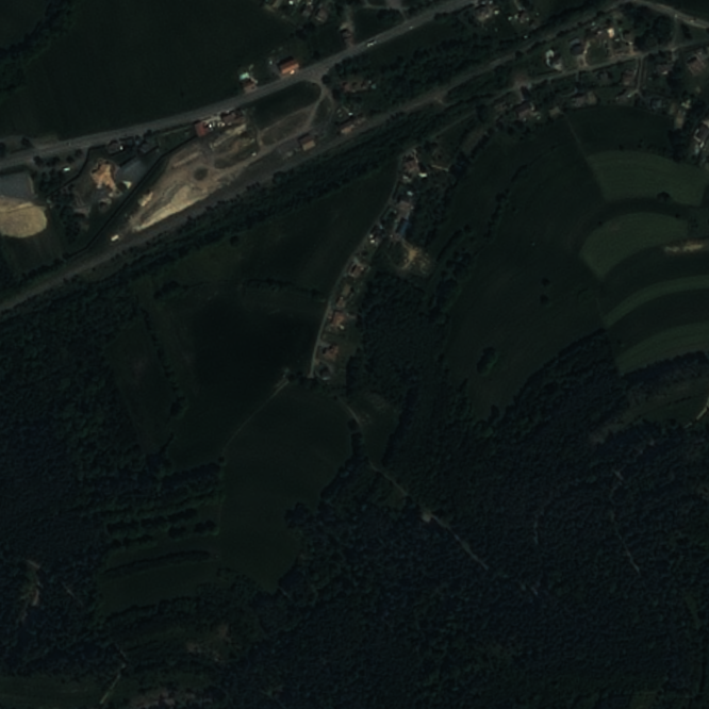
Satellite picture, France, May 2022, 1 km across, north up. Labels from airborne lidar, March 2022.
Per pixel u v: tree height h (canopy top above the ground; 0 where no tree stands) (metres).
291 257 0
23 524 15
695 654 19
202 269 0
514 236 0
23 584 28
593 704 0
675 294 0
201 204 0
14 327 15
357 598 21
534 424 10
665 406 0
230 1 0
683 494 13
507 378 0
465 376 0
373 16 0
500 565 35
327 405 0
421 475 11
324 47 0
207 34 0
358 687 24
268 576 0
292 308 0
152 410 0
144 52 0
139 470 12
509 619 32
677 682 24
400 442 17
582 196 0
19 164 0
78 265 0
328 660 17
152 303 0
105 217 0
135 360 0
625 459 26
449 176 0
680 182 0
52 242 0
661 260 0
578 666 16
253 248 0
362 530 28
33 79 0
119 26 0
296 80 0
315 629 23
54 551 17
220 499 13
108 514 16
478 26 9
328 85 15
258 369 0
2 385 11
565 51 0
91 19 0
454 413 12
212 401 0
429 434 18
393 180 0
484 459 27
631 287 0
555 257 0
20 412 12
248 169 0
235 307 0
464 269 18
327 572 18
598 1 17
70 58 0
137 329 0
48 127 0
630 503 12
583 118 0
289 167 0
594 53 0
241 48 0
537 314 0
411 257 0
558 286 0
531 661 18
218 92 0
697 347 0
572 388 14
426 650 29
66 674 29
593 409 25
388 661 18
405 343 20
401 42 0
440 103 0
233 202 8
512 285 0
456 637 31
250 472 0
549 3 0
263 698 23
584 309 0
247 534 0
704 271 0
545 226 0
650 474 17
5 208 0
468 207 0
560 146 0
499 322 0
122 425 17
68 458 32
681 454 24
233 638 8
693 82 0
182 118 0
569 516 18
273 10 0
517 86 0
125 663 30
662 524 24
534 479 19
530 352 0
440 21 9
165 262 15
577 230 0
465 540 24
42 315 8
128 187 0
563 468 26
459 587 29
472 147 0
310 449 0
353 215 0
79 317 12
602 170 0
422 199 6
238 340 0
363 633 21
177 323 0
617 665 18
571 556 15
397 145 7
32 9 0
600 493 20
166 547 0
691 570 6
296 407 0
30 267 0
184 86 0
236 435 0
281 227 0
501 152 0
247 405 0
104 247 0
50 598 8
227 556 0
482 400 0
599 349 14
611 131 0
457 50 18
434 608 24
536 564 27
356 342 0
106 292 12
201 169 0
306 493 0
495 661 7
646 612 24
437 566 30
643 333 0
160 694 0
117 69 0
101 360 15
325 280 0
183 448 0
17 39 0
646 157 0
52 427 27
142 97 0
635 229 0
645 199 0
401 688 19
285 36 0
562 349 0
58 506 20
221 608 16
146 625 18
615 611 26
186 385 0
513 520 18
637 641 14
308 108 0
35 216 0
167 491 19
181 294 15
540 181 0
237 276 0
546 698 7
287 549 0
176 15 0
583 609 30
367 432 0
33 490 23
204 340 0
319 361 0
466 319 0
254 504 0
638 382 22
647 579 22
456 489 22
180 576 0
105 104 0
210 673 19
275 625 28
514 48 9
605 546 21
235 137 0
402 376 15
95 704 0
